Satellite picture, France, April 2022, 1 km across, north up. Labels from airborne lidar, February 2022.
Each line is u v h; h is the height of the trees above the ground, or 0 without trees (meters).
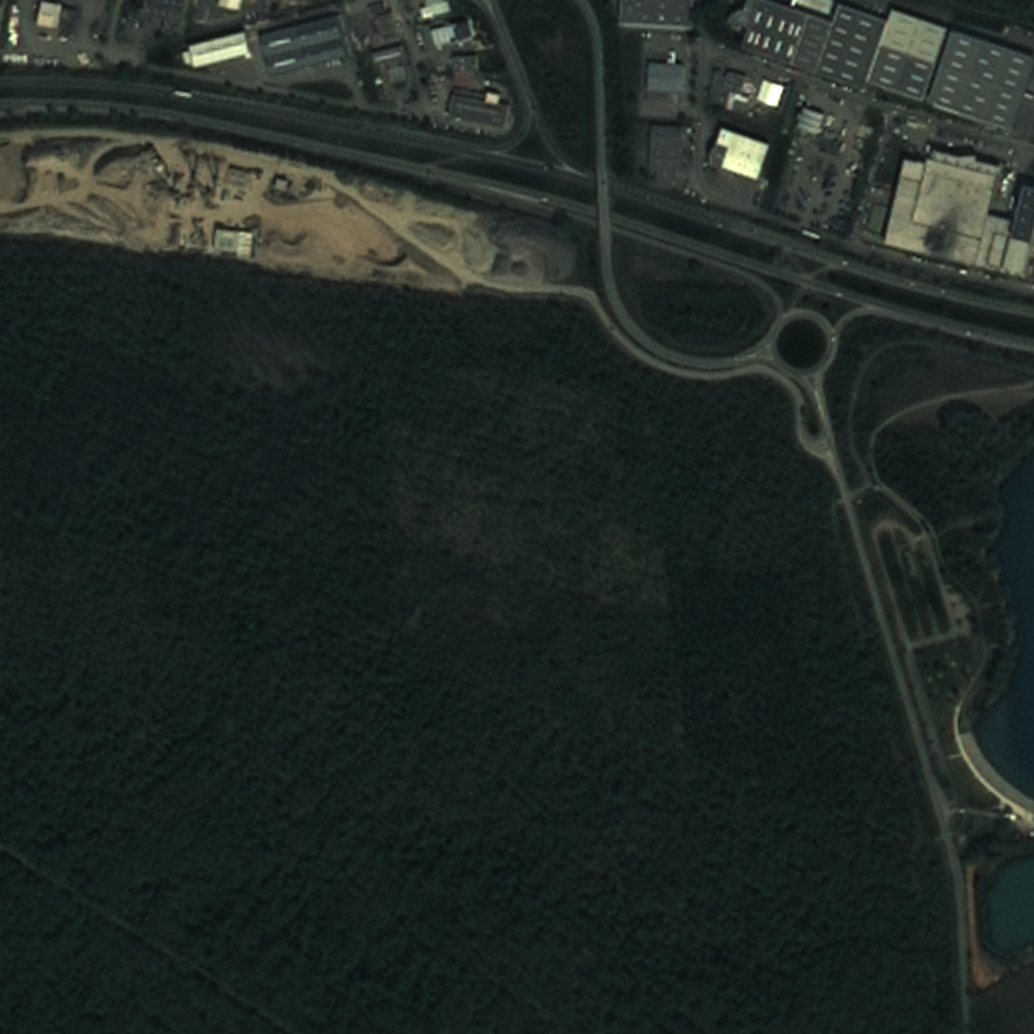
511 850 11
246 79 0
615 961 17
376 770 17
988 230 0
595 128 0
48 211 0
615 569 11
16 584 8
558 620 8
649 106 0
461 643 10
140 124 12
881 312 0
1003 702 0
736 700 7
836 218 0
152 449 12
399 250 0
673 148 0
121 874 19
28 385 12
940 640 0
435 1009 21
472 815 19
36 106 0
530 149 0
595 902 17
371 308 16
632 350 0
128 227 0
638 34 0
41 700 18
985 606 0
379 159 0
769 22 0
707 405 15
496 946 18
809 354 0
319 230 0
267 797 14
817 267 0
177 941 22
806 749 14
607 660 8
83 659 10
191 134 12
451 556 10
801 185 0
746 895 15
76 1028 21
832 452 0
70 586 10
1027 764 0
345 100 0
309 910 15
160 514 12
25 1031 19
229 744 16
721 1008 23
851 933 13
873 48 0
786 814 13
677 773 20
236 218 0
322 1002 19
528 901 21
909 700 0
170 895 17
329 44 0
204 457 17
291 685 13
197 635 7
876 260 8
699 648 12
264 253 0
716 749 13
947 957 8
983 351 10
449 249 0
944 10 0
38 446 12
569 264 0
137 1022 23
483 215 0
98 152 0
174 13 0
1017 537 0
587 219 0
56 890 19
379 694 9
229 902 19
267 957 21
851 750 15
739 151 0
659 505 12
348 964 18
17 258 12
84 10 0
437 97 0
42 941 22
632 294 0
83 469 14
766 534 14
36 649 9
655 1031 20
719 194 0
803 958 16
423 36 0
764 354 0
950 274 0
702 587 16
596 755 15
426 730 9
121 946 22
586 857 14
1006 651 8
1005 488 0
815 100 0
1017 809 0
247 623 14
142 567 9
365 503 16
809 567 14
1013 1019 0
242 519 9
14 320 13
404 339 17
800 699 12
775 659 13
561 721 15
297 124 0
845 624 16
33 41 0
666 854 7
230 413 12
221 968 15
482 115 0
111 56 0
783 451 13
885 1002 22
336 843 19
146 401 17
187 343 18
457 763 17
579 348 15
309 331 16
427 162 0
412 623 12
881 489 0
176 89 0
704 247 0
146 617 6
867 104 0
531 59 12
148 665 9
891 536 0
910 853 14
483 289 0
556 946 21
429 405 10
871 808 15
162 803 17
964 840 0
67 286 12
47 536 8
